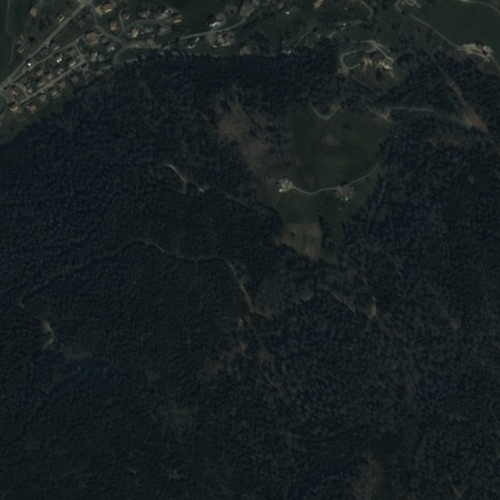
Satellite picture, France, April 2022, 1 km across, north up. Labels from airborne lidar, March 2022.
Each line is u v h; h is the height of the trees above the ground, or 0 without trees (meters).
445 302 25
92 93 10
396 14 0
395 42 0
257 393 24
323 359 23
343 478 28
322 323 29
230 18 0
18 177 10
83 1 0
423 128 11
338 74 20
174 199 16
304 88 16
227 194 14
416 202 28
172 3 0
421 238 27
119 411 16
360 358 21
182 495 12
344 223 0
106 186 21
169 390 15
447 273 16
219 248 10
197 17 0
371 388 29
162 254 14
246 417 16
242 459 13
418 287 23
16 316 25
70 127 21
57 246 28
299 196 0
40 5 0
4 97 0
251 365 12
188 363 19
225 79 17
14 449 17
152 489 11
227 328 15
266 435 7
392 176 18
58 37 0
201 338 14
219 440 14
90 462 18
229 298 14
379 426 10
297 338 10
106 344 16
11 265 30
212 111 8
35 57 0
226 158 17
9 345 23
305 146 0
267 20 10
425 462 26
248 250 21
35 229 28
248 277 29
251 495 13
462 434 28
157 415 18
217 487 10
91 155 25
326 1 0
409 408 27
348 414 24
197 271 20
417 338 28
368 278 16
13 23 0
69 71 0
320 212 6
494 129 13
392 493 8
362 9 0
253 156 0
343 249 0
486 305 22
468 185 20
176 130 19
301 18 0
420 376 30
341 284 20
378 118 12
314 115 0
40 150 26
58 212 27
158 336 16
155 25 0
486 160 15
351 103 16
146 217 19
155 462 12
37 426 19
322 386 10
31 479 14
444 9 0
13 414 25
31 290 22
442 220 27
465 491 32
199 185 8
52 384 15
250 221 18
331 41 11
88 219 32
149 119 12
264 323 12
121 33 0
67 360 15
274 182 0
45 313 16
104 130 22
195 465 12
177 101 16
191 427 19
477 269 24
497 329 18
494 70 6
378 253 30
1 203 27
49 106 0
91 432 14
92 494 20
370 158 0
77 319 21
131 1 6
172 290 15
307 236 0
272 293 33
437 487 11
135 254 12
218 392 14
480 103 25
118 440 15
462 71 19
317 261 0
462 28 0
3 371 27
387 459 14
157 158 17
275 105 21
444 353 14
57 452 16
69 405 19
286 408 18
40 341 32
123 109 19
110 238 24
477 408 24
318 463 14
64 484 18
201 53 0
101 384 13
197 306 17
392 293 6
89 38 0
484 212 28
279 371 10
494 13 0
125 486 14
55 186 32
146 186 34
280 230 21
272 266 22
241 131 0
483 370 23
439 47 15
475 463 33
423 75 14
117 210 26
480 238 26
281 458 9
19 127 0
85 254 28
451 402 24
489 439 30
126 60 0
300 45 0
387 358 20
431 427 19
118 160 30
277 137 23
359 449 10
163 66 9
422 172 16
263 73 19
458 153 27
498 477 20
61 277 19
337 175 0
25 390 20
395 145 17
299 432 11
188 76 17
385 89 0
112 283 24
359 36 0
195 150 8
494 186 12
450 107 15
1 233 26
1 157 17
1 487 22
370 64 8
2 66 0
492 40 0
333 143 0
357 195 0
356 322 32
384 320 26
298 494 17
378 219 26
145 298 16
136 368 12
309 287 32
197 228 20
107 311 18
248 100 11
